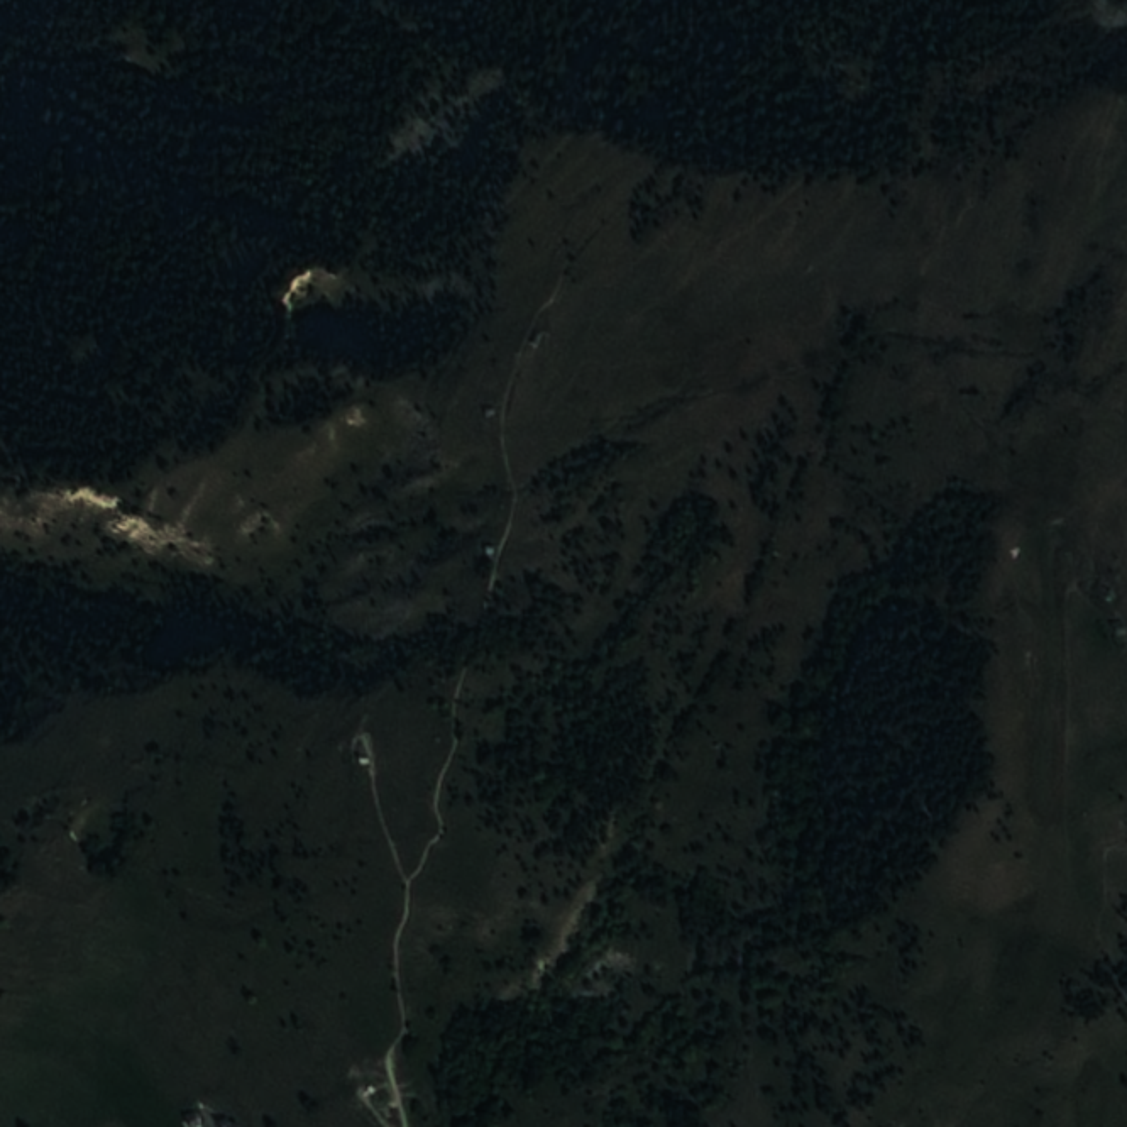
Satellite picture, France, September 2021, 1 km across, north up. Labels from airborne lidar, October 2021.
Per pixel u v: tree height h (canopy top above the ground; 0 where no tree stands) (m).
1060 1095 0
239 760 0
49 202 19
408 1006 0
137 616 12
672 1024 15
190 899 0
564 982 9
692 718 7
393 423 0
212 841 0
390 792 0
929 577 7
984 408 0
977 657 11
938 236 0
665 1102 6
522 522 0
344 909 0
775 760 11
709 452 0
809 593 0
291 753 0
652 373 0
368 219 10
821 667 15
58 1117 0
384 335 7
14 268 15
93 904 0
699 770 0
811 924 13
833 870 17
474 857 0
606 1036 7
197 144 15
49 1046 0
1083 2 0
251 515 0
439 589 0
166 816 0
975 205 0
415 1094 0
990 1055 0
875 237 0
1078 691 0
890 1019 7
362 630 0
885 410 0
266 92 18
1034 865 0
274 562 0
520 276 0
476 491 0
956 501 8
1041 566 0
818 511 0
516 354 0
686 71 9
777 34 11
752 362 0
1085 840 0
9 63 12
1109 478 0
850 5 13
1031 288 0
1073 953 0
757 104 9
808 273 0
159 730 0
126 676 0
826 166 6
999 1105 0
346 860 0
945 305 0
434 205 6
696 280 0
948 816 18
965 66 9
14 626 9
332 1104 0
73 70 22
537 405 0
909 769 16
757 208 0
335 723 0
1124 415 0
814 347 0
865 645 23
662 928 0
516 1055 16
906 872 10
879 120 7
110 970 0
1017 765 0
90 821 0
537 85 6
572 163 0
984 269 0
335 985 0
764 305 0
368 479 0
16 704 12
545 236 0
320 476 0
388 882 0
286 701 0
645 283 0
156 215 16
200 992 0
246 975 0
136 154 17
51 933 0
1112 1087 0
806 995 7
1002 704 0
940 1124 0
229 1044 0
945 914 0
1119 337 0
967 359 0
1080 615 0
